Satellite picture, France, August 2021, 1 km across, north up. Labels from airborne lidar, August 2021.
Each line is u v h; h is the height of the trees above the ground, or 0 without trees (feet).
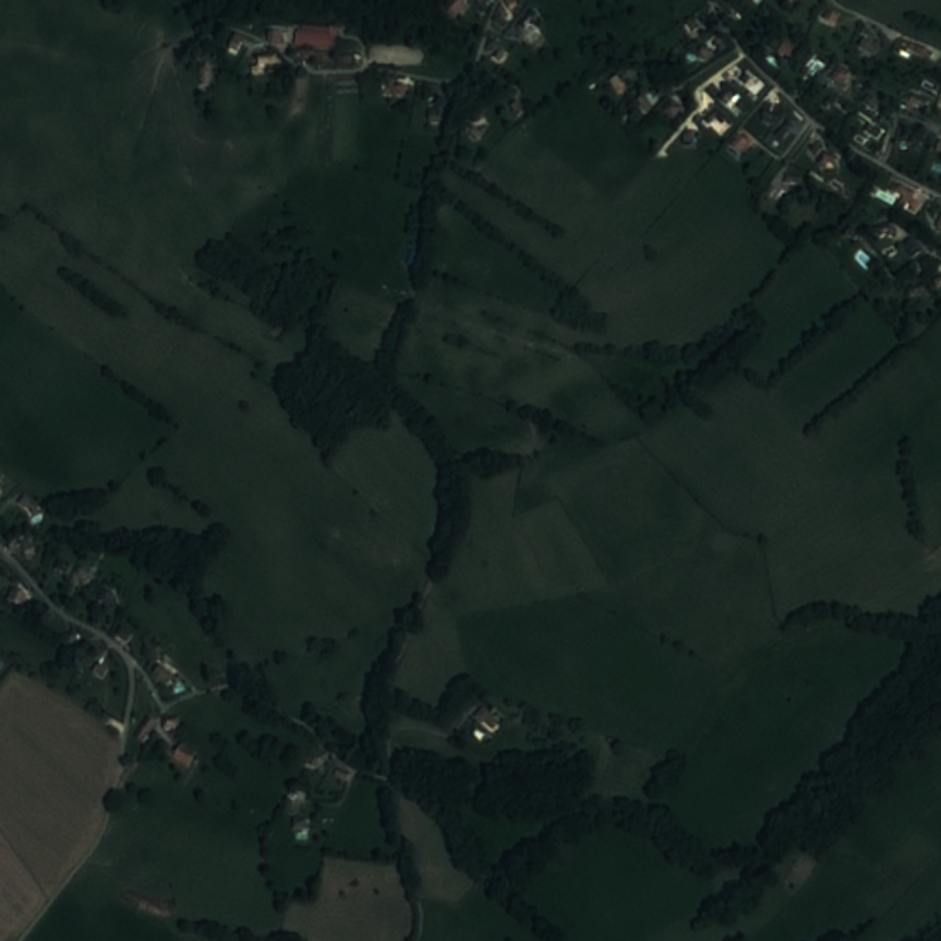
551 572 0
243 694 86
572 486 0
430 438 70
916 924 0
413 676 0
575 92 39
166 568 83
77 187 0
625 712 0
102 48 0
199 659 0
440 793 80
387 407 25
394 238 0
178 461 0
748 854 70
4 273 0
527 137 0
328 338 62
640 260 0
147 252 0
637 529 0
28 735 0
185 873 0
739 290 0
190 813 0
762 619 0
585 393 0
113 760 0
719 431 0
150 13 0
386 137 0
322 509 0
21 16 0
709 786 0
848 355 0
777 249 0
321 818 30
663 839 84
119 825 0
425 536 0
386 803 56
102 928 0
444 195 57
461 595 0
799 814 89
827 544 0
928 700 95
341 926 0
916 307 35
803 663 0
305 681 0
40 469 0
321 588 0
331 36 0
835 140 70
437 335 0
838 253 0
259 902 0
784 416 0
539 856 94
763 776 0
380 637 0
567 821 71
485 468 85
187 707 0
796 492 0
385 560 0
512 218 0
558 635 0
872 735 100
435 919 0
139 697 0
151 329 0
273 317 51
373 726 50
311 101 0
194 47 52
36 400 0
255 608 0
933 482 0
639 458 0
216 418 0
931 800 0
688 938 0
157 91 0
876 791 65
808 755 0
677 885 0
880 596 0
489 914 0
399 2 100
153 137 0
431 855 0
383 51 0
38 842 0
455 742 34
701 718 0
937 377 0
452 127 47
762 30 87
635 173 0
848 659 0
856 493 0
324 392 59
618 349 40
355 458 0
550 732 20
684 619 0
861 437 0
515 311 0
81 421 0
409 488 0
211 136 0
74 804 0
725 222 0
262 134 0
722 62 0
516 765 72
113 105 0
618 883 0
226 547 54
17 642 0
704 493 0
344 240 0
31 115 0
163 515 0
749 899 88
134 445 0
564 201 0
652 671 0
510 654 0
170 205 0
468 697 56
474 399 0
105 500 50
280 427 0
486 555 0
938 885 0
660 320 0
